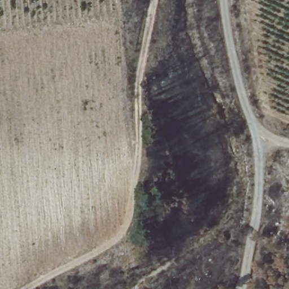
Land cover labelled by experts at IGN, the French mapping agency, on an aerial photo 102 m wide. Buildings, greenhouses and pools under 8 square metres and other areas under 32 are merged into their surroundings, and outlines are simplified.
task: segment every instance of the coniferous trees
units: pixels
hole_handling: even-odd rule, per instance
[[[142,137],[142,149],[151,146],[151,135],[155,133],[155,126],[151,123],[152,112],[147,107],[142,110]]]
[[[245,282],[247,289],[289,289],[289,231],[282,231],[279,236],[277,226],[266,226],[262,234],[264,237],[277,237],[277,248],[266,247],[266,254],[261,260],[257,264],[252,263],[251,270],[253,277]]]
[[[143,219],[157,213],[158,221],[163,221],[170,210],[177,207],[177,203],[166,204],[156,200],[156,195],[150,190],[144,193],[137,185],[134,192],[133,218],[126,235],[130,237],[131,244],[139,246],[144,238]]]

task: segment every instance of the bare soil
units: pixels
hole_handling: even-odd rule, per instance
[[[122,88],[122,93],[129,100],[134,100],[139,97],[134,91],[134,82],[150,0],[120,0],[124,17],[123,47],[128,68],[128,86]]]
[[[289,124],[262,112],[252,78],[255,63],[252,53],[252,32],[240,24],[239,0],[228,0],[231,33],[253,113],[264,129],[289,139]]]
[[[277,237],[264,237],[262,234],[266,226],[277,226],[279,236],[282,231],[289,231],[289,148],[279,148],[273,154],[265,154],[261,222],[259,229],[251,226],[255,187],[253,143],[230,69],[219,0],[158,0],[146,71],[141,84],[142,110],[147,107],[152,112],[151,123],[155,126],[155,133],[151,135],[151,146],[142,149],[137,185],[144,193],[150,190],[156,195],[156,200],[166,204],[177,203],[177,207],[170,210],[163,221],[158,221],[157,213],[143,219],[144,238],[139,246],[131,244],[130,237],[126,235],[119,243],[98,254],[94,259],[56,275],[35,289],[247,289],[245,282],[253,277],[251,270],[244,277],[240,277],[240,271],[246,236],[254,240],[252,263],[257,264],[261,260],[266,254],[266,247],[277,248]]]

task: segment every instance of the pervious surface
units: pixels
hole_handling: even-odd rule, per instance
[[[254,240],[246,236],[240,271],[240,277],[244,277],[251,270],[252,263]]]
[[[265,154],[273,154],[279,148],[289,148],[289,139],[264,129],[253,113],[231,33],[228,0],[219,0],[230,69],[253,143],[255,187],[251,226],[259,229],[261,222]]]
[[[129,191],[123,225],[117,228],[115,236],[78,259],[40,275],[20,289],[35,289],[56,275],[94,259],[98,254],[119,243],[126,235],[133,218],[134,192]]]
[[[146,71],[158,0],[150,0],[134,82],[134,91],[139,97],[134,100],[135,133],[142,137],[142,110],[141,84]]]

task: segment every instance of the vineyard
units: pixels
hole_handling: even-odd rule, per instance
[[[239,0],[240,24],[252,32],[252,53],[255,63],[252,78],[262,112],[289,124],[289,0]]]
[[[129,191],[134,192],[137,185],[142,149],[142,137],[135,133],[134,100],[129,100],[122,93],[122,88],[128,86],[128,68],[123,47],[124,17],[120,0],[0,0],[0,289],[20,289],[40,275],[78,259],[115,236],[117,228],[123,225]]]

